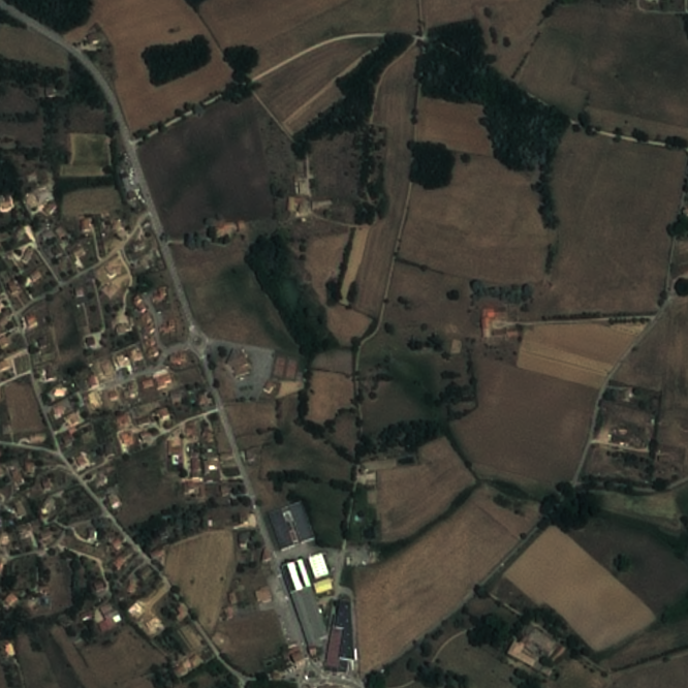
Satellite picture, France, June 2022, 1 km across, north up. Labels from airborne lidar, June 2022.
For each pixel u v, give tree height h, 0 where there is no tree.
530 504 0
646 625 0
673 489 0
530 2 0
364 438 11
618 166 0
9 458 7
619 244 0
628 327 0
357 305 0
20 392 0
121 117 0
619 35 0
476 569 0
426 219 0
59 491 0
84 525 0
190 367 0
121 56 0
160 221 0
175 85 0
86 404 0
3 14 14
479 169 0
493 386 0
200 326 0
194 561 0
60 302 0
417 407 0
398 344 0
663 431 0
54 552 10
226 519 0
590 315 10
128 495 0
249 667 0
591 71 0
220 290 0
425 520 0
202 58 11
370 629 0
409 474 0
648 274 0
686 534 0
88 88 9
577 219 0
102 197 0
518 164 15
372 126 7
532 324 0
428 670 20
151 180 0
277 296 13
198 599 0
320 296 0
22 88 7
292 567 0
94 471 0
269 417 0
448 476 0
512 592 0
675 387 0
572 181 0
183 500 0
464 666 0
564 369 0
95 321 0
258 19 0
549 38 0
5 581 11
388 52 9
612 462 0
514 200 0
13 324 7
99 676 0
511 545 0
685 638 0
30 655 0
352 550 0
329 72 0
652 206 0
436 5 0
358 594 0
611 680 0
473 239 0
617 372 0
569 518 21
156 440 0
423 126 0
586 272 0
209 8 0
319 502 0
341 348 0
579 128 13
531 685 12
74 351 0
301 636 0
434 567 0
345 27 0
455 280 0
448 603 0
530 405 0
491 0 0
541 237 0
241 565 6
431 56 9
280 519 0
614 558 0
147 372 0
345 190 0
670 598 0
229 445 0
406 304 8
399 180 0
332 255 0
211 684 0
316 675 0
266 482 0
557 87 0
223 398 0
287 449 0
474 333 0
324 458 0
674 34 0
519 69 6
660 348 0
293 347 0
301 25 0
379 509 0
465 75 12
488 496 0
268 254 7
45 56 0
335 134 11
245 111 0
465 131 0
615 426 0
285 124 0
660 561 0
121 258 0
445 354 10
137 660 0
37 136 0
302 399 11
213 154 0
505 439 0
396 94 0
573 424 0
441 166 12
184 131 0
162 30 0
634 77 0
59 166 7
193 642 0
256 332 0
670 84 0
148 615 0
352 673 0
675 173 0
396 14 0
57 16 8
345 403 0
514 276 0
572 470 0
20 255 7
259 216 0
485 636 12
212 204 0
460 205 0
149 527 10
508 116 13
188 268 0
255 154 0
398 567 0
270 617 0
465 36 8
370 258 0
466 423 0
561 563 0
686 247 0
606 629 0
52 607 0
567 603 0
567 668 0
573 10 0
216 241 10
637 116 0
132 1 0
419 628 0
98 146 0
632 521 0
